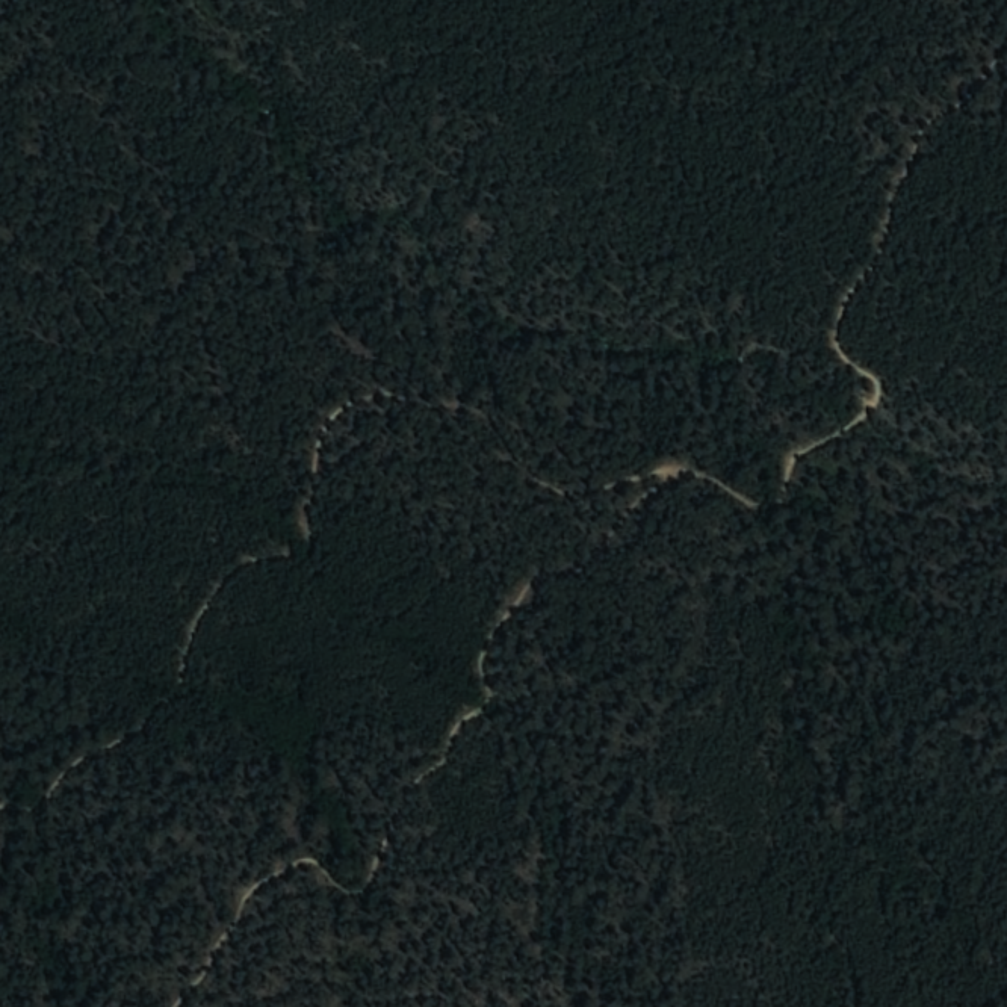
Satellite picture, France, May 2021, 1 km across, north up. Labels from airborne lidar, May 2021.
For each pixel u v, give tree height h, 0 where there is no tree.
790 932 20
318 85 10
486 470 28
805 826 14
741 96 15
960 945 16
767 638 13
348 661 18
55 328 28
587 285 24
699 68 27
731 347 28
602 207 22
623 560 29
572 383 31
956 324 19
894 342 17
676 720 7
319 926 24
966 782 10
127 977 24
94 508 13
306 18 12
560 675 29
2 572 12
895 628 18
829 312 18
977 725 24
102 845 10
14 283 29
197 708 19
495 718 26
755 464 24
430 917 22
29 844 32
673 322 20
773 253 15
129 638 16
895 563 42
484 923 18
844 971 19
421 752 21
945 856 20
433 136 22
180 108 17
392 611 20
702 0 21
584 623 36
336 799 14
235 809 25
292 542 20
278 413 28
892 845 20
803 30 26
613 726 30
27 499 21
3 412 27
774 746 21
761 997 18
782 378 26
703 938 14
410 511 29
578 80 22
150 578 15
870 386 19
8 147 29
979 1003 15
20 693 31
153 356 26
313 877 24
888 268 22
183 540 17
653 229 18
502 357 39
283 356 32
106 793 22
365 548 18
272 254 33
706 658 6
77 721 37
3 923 10
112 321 31
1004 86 26
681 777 17
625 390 31
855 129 30
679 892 23
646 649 30
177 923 31
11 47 26
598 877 10
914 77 33
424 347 29
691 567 27
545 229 24
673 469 0
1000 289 17
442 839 10
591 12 18
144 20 36
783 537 33
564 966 26
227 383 30
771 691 8
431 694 11
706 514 33
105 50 16
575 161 19
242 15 17
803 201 19
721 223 15
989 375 20
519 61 17
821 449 7
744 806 9
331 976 32
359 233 38
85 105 26
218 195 28
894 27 24
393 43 17
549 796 29
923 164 23
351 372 29
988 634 14
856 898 14
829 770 36
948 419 19
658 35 22
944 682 11
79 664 21
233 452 22
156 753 14
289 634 15
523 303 20
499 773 9
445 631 17
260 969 21
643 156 20
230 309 32
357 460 29
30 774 31
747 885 11
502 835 17
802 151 14
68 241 29
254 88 15
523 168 24
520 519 28
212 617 14
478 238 23
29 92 35
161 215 26
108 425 22
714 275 12
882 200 18
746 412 22
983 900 15
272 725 14
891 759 15
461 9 22
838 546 37
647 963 27
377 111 20
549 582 28
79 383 21
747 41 25
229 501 9
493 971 28
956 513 29
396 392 21
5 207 27
